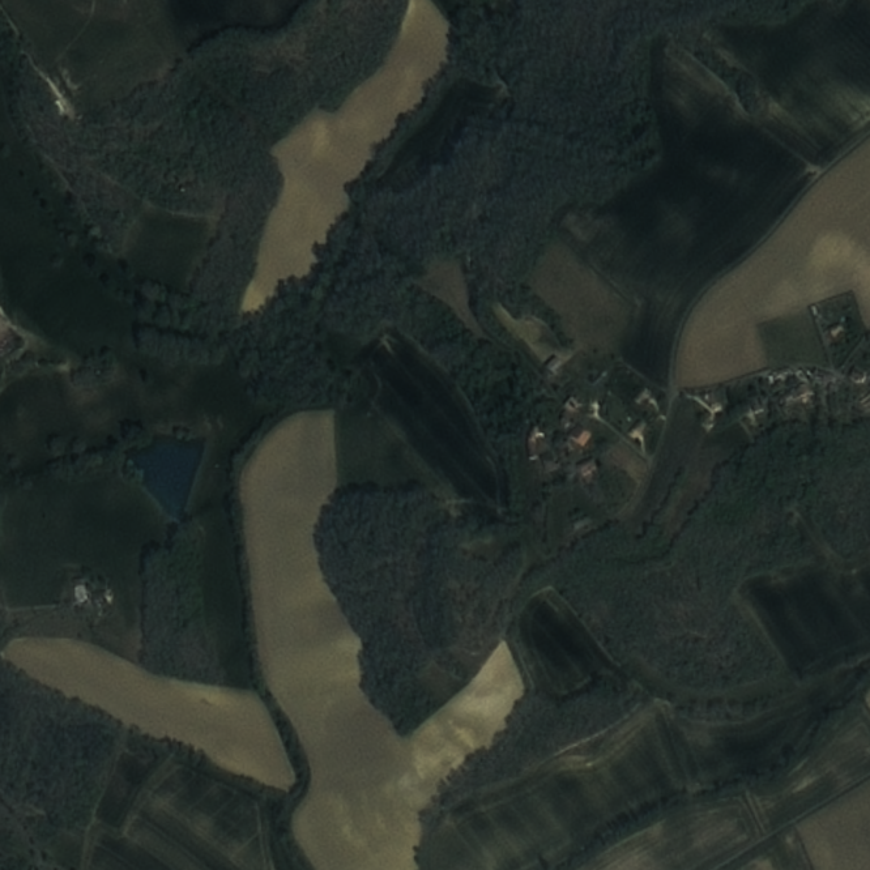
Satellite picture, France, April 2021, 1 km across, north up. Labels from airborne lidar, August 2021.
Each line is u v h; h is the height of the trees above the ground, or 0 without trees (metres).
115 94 0
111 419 0
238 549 7
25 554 0
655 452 0
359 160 0
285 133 22
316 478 0
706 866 0
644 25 15
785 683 0
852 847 0
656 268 0
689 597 14
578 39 7
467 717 0
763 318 0
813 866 0
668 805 13
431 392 0
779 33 0
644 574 15
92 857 0
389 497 16
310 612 0
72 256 0
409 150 0
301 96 23
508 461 14
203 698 0
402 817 0
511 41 16
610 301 0
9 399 0
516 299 11
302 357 9
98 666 0
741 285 0
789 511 21
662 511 10
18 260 0
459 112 0
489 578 11
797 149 0
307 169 0
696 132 0
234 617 0
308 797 0
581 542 10
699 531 17
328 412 0
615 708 17
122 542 0
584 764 0
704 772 0
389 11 15
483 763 17
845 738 0
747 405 14
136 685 0
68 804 14
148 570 16
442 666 9
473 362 14
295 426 0
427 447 0
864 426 15
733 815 0
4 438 0
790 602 0
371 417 0
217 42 17
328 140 0
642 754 0
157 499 0
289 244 0
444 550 15
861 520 19
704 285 0
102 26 0
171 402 0
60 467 12
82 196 19
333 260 27
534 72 12
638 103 13
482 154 20
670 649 12
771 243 0
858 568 0
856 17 0
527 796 0
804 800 0
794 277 0
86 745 26
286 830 9
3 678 17
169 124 14
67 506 0
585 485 7
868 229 0
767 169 0
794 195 0
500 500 0
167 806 0
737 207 0
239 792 0
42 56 0
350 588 19
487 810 0
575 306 0
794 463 23
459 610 12
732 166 0
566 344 9
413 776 0
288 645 0
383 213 22
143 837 0
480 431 0
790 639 0
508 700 0
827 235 0
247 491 0
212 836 0
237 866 0
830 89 0
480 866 0
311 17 16
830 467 16
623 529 13
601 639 14
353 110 0
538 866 0
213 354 19
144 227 0
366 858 0
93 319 0
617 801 0
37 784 10
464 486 0
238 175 10
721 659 8
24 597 0
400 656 18
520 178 18
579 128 19
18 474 17
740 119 0
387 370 0
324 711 0
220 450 0
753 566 15
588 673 0
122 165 7
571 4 17
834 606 0
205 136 20
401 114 0
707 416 9
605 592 11
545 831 0
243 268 19
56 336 0
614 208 0
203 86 14
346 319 25
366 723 0
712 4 17
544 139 21
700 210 0
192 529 27
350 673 0
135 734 7
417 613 8
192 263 0
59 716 20
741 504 10
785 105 0
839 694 0
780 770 12
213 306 20
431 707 9
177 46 0
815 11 0
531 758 18
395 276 14
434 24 0
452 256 18
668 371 0
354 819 0
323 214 0
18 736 16
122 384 0
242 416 0
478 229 13
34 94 15
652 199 0
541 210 12
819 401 13
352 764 0
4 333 0
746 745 0
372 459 0
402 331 22
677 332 0
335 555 25
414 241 22
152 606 18
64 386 0
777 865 0
